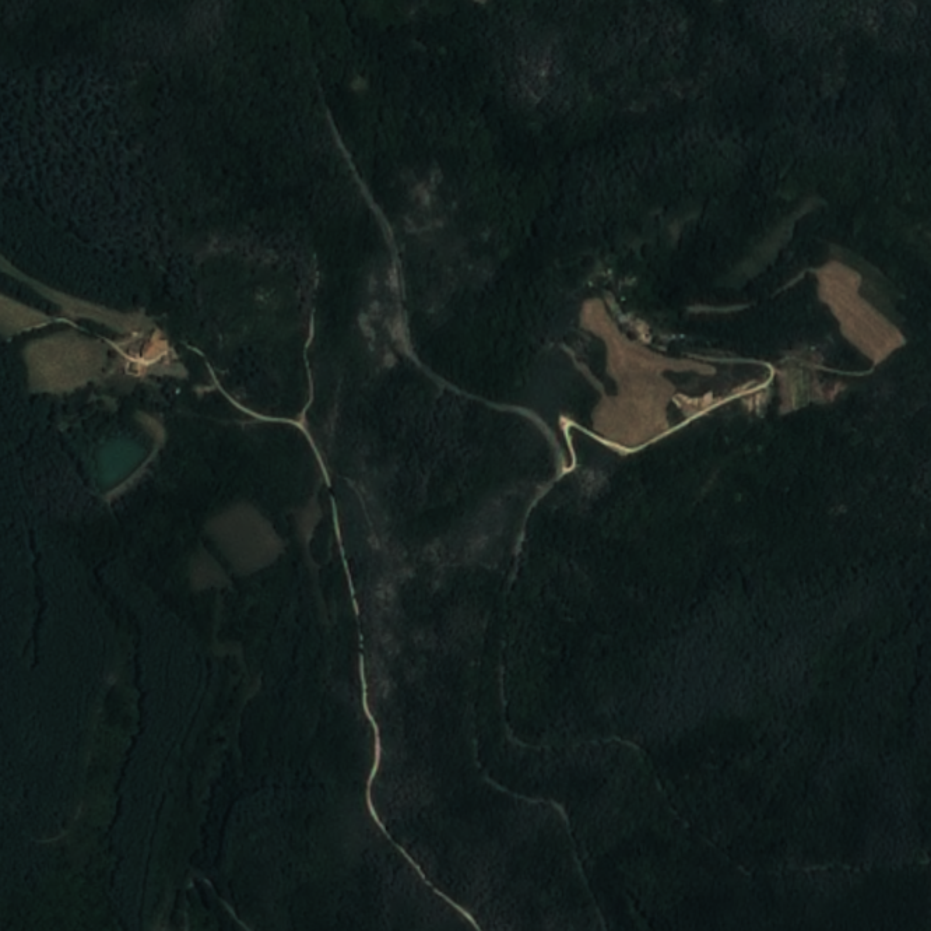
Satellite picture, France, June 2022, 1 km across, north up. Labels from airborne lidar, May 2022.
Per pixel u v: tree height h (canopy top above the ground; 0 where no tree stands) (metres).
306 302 15
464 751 13
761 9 9
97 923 19
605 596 9
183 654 26
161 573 17
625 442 0
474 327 8
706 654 20
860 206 14
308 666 12
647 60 14
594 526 16
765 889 19
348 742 8
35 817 26
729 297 11
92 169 21
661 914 19
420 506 15
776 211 16
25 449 17
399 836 18
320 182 20
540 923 9
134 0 13
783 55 15
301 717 15
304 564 8
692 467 9
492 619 11
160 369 0
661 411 0
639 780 17
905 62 17
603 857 14
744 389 0
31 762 21
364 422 6
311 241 14
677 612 17
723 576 16
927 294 10
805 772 18
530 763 15
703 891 18
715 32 13
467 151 16
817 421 11
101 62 12
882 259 11
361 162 8
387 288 0
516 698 15
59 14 20
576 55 15
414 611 8
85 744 31
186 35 14
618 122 12
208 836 17
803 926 14
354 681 8
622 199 14
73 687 21
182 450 10
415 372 15
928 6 7
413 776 9
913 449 8
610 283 8
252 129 24
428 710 12
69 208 19
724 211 23
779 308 8
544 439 0
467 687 18
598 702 14
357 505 0
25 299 22
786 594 16
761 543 8
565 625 24
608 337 0
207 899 26
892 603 17
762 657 15
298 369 6
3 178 24
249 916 9
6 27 7
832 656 16
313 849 12
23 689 24
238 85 10
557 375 0
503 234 10
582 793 13
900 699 19
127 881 21
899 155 17
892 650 20
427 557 7
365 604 9
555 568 15
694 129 19
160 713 24
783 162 16
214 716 9
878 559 19
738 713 17
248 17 18
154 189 17
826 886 15
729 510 6
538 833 11
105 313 0
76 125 22
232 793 15
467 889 10
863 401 7
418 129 21
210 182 20
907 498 12
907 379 6
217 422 6
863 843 18
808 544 11
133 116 20
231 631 6
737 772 20
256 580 6
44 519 15
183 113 17
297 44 18
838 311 0
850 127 17
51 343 0
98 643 25
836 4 12
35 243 26
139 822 29
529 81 8
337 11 21
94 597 7
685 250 11
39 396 11
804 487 12
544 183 10
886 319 0
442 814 12
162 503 6
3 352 26
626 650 19
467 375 8
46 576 24
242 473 15
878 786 23
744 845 22
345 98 20
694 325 7
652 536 7
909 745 15
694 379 0
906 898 16
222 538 0
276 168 24
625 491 14
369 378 8
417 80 16
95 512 16
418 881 9
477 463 14
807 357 0
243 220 20
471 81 20
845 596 19
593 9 11
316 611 11
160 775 27
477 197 10
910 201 15
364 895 8
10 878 29
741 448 9
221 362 6
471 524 0
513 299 13
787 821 19
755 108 15
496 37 13
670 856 21
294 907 10
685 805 19
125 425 14
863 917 14
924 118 16
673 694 15
